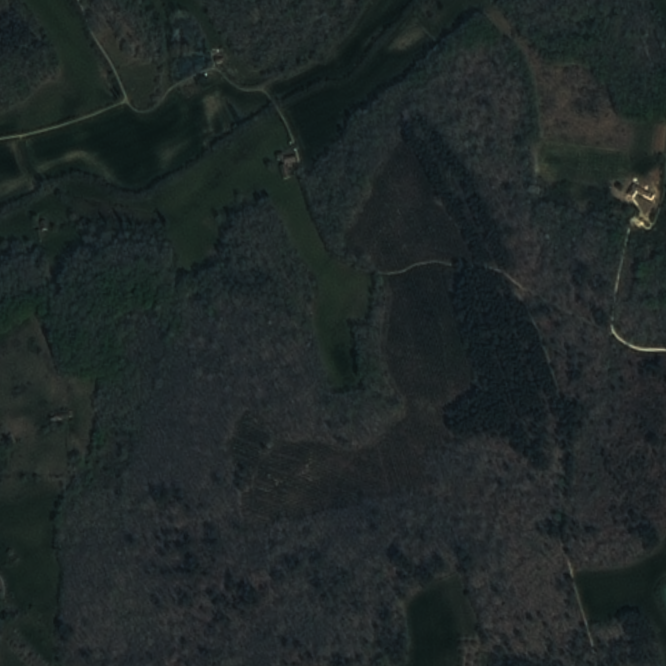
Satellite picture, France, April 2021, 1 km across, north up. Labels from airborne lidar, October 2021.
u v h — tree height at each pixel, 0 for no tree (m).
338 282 0
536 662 17
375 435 18
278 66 14
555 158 0
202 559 7
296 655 12
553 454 17
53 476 0
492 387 23
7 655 0
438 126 11
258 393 19
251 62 6
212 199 0
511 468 14
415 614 0
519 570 11
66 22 0
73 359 21
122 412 22
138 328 19
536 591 11
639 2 20
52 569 0
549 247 16
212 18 17
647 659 19
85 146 0
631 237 11
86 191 0
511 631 12
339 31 11
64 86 0
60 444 0
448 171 22
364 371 21
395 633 18
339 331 0
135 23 23
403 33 0
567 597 11
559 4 16
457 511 12
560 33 21
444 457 16
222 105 0
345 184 16
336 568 19
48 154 0
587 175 0
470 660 13
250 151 0
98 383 13
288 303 19
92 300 23
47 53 16
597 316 23
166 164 0
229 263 20
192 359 16
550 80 13
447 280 9
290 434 16
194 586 8
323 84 11
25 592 0
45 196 26
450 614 0
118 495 16
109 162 0
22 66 15
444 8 20
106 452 13
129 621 19
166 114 0
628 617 22
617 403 7
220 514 19
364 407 21
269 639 14
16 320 24
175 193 0
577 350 14
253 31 11
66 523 20
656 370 15
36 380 0
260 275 17
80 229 16
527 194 14
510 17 22
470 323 18
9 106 14
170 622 13
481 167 15
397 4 0
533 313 10
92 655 17
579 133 8
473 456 12
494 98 15
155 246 11
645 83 23
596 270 15
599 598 0
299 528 18
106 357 25
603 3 14
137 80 0
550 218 18
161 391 25
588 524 7
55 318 22
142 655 13
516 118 19
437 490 19
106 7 21
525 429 16
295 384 17
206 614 18
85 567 18
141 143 0
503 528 15
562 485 11
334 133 0
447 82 13
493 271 6
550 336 11
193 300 9
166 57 13
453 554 15
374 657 10
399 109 11
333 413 20
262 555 14
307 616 18
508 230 17
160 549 15
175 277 23
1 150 0
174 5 0
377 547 11
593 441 9
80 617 17
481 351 20
